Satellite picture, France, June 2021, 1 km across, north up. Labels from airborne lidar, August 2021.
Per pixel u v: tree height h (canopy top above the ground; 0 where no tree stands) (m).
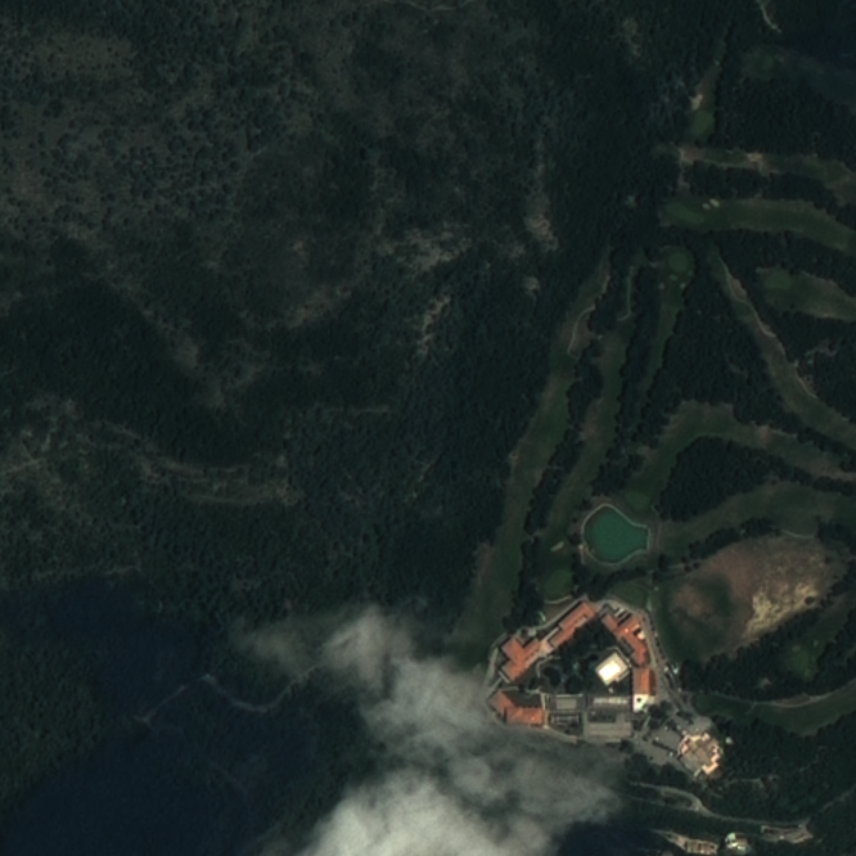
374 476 10
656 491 0
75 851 13
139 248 8
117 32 7
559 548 0
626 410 14
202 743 13
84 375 13
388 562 18
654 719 13
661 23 8
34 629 20
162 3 10
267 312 6
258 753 24
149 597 9
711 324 8
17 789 11
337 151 7
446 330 18
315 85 9
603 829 11
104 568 10
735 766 10
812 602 10
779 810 12
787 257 14
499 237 8
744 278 12
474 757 10
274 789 20
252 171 8
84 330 12
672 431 0
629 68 9
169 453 6
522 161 8
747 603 0
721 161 0
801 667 0
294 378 10
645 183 12
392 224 12
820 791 10
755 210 0
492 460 8
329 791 15
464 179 9
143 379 10
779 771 9
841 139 11
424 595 7
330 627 6
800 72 0
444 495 5
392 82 7
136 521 18
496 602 0
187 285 6
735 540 11
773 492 0
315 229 7
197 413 12
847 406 10
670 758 0
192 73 14
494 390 11
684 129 10
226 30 15
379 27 6
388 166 10
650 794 12
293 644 12
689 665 14
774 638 10
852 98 0
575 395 13
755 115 12
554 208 10
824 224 0
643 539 0
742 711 0
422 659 9
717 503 10
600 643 19
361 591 23
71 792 16
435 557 14
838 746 11
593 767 13
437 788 11
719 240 13
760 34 12
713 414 0
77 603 16
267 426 8
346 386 13
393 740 7
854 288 14
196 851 12
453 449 14
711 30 18
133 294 6
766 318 12
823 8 11
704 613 0
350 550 15
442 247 13
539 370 14
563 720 0
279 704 7
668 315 0
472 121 7
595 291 0
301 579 7
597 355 16
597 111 14
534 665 0
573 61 12
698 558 9
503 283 12
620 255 17
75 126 10
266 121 13
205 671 10
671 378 14
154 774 8
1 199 0
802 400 0
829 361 11
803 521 0
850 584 13
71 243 7
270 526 9
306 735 14
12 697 18
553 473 10
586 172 15
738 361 17
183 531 12
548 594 0
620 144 18
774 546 0
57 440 6
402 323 8
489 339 9
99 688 16
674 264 0
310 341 12
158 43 9
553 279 13
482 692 0
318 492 16
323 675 14
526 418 19
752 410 13
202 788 15
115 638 13
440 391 21
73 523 9
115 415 10
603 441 0
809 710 0
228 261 6
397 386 13
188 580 8
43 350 10
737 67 18
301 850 18
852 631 15
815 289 0
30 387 7
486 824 15
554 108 11
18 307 7
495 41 10
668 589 0
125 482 6
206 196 12
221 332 7
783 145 13
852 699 0
